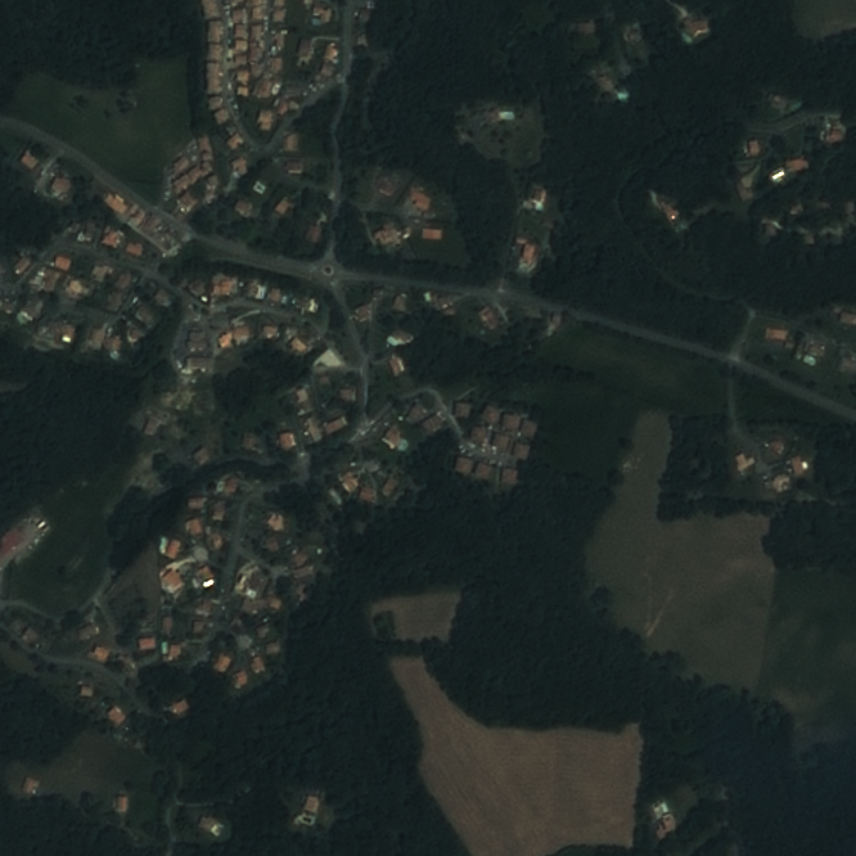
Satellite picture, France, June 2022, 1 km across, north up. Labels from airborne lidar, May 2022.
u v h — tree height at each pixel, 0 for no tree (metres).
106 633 0
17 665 0
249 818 9
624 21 23
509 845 0
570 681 22
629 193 12
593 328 11
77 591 0
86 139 0
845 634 0
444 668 19
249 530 0
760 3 32
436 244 0
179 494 14
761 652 0
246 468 19
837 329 0
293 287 14
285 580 11
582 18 17
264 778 12
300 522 9
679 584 0
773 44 23
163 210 0
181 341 0
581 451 0
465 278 20
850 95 13
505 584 25
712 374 0
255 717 25
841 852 22
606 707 19
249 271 10
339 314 13
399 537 20
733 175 25
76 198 11
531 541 25
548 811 0
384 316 6
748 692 16
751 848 30
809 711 0
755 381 14
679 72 26
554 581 24
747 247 22
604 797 0
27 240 20
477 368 11
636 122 22
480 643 20
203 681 23
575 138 25
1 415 23
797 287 25
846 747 20
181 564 0
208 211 14
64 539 0
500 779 0
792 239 17
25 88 0
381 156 6
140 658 7
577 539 23
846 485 13
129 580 0
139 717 17
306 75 9
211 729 24
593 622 22
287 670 16
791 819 29
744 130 19
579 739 0
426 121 12
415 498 10
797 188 16
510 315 6
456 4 20
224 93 0
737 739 21
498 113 0
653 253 11
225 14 0
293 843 15
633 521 0
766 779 21
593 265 10
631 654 22
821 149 14
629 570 0
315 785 14
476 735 0
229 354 0
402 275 16
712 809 21
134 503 21
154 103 0
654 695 24
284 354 8
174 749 16
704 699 24
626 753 0
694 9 13
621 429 0
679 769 24
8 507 26
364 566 26
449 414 0
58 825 19
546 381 14
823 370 0
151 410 0
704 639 0
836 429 15
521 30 22
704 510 15
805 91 21
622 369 0
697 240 13
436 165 14
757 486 0
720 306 12
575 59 18
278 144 0
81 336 10
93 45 19
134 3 14
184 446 9
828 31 0
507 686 16
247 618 17
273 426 13
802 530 17
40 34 21
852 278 25
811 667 0
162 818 9
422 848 25
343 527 14
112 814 10
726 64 30
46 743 23
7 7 17
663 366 0
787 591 0
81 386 20
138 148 0
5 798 17
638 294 18
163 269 10
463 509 17
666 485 17
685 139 19
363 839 21
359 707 22
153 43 9
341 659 30
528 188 7
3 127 0
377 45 19
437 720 0
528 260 0
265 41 0
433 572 25
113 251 7
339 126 9
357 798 20
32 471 26
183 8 20
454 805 0
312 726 21
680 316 23
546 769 0
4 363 20
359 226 21
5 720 25
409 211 0
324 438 5
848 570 18
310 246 6
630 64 13
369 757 25
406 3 21
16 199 20
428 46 20
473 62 25
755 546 0
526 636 21
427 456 19
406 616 0
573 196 27
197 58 18
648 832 14
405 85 15
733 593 0
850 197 19
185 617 9
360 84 22
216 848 14
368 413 12
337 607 23
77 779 0
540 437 15
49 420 30
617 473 15
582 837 0
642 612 0
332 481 7
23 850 25
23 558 0
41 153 12
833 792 17
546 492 20
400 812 26
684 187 19
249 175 14
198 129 19
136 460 0
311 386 0
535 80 21
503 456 0
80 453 21
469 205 20
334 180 0
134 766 0
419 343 13
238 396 10
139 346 8
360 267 20
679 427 18
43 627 6
